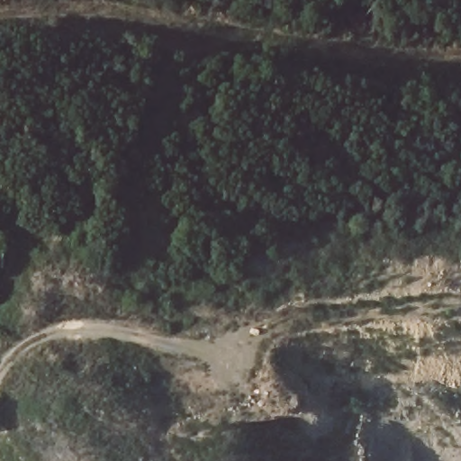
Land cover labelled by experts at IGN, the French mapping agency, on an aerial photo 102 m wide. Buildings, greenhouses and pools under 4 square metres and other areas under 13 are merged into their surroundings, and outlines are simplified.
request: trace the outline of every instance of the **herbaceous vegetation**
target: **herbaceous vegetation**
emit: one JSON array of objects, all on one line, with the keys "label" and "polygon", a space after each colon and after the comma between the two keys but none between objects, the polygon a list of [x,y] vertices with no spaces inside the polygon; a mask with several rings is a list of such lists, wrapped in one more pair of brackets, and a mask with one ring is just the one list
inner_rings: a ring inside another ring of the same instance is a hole
[{"label": "herbaceous vegetation", "polygon": [[331,34],[324,34],[322,38],[310,38],[312,31],[304,29],[299,14],[292,14],[288,9],[285,14],[272,11],[270,16],[256,18],[250,11],[243,11],[232,2],[227,13],[207,11],[207,14],[202,14],[200,9],[191,5],[184,9],[184,13],[175,14],[171,9],[144,9],[112,0],[0,0],[0,31],[4,32],[5,36],[11,36],[20,27],[40,29],[45,34],[83,34],[86,29],[94,29],[108,31],[112,38],[119,40],[126,32],[130,32],[135,36],[135,40],[139,41],[144,36],[158,34],[166,38],[167,50],[171,50],[173,54],[175,50],[184,52],[189,49],[202,49],[207,56],[214,56],[220,50],[230,50],[234,56],[240,54],[243,58],[259,54],[274,68],[290,52],[294,58],[301,59],[306,67],[321,67],[321,72],[333,70],[339,72],[340,76],[360,74],[366,79],[380,77],[400,86],[412,81],[414,77],[420,77],[421,72],[427,72],[430,79],[436,77],[441,83],[461,81],[461,45],[454,43],[445,49],[434,45],[432,52],[436,52],[443,61],[432,61],[414,58],[405,52],[396,52],[387,47],[373,49],[367,43],[366,36],[367,32],[371,31],[373,16],[362,27],[355,27],[349,32],[351,41],[328,43]]},{"label": "herbaceous vegetation", "polygon": [[322,342],[321,358],[337,357],[340,358],[340,364],[360,369],[366,367],[366,360],[371,360],[371,371],[375,375],[396,375],[407,371],[402,362],[405,358],[416,360],[414,351],[407,349],[414,337],[409,333],[403,333],[400,326],[393,331],[369,328],[369,339],[362,339],[355,330],[319,333]]},{"label": "herbaceous vegetation", "polygon": [[167,432],[175,421],[187,416],[182,402],[187,398],[187,394],[191,393],[191,389],[185,382],[180,382],[180,378],[185,373],[196,371],[203,371],[205,375],[209,375],[211,367],[207,362],[203,362],[202,358],[184,353],[175,355],[157,351],[162,369],[153,371],[149,375],[149,382],[144,382],[142,376],[139,376],[135,378],[133,387],[121,385],[121,393],[124,396],[122,409],[128,411],[131,420],[137,423],[137,429],[142,430],[142,434],[148,439],[148,443],[140,450],[142,461],[234,461],[234,452],[230,450],[229,443],[232,436],[236,438],[240,434],[241,425],[238,421],[234,423],[221,418],[218,425],[214,425],[209,421],[193,421],[185,427],[185,432],[198,434],[200,430],[205,430],[205,438],[193,441],[173,436],[167,441],[162,441],[162,434]]},{"label": "herbaceous vegetation", "polygon": [[112,349],[112,342],[115,339],[59,339],[49,342],[52,353],[47,358],[50,362],[61,360],[68,373],[77,373],[81,367],[88,373],[90,369],[95,371],[101,364],[108,364],[108,351]]},{"label": "herbaceous vegetation", "polygon": [[185,312],[171,308],[169,313],[162,312],[160,308],[158,313],[153,313],[151,304],[140,303],[135,295],[126,290],[103,288],[103,294],[99,294],[97,290],[88,290],[83,299],[77,299],[76,295],[67,295],[63,292],[59,279],[52,279],[49,292],[45,292],[34,306],[34,326],[38,330],[58,322],[83,319],[130,321],[139,322],[142,328],[148,326],[149,330],[167,337],[178,335],[189,340],[209,337],[212,344],[229,331],[256,328],[261,335],[267,333],[270,337],[259,342],[249,378],[256,378],[261,371],[265,351],[274,353],[274,349],[286,344],[288,339],[313,335],[312,328],[317,328],[319,324],[313,319],[312,313],[304,313],[303,308],[294,306],[277,312],[276,308],[265,308],[261,304],[256,308],[250,308],[247,304],[240,312],[227,315],[223,310],[212,310],[209,306],[194,306]]},{"label": "herbaceous vegetation", "polygon": [[47,425],[34,421],[34,427],[38,432],[32,443],[32,450],[38,452],[45,461],[104,461],[106,450],[103,447],[90,447],[88,434],[67,432],[63,436],[63,432],[58,429],[58,421],[50,420]]},{"label": "herbaceous vegetation", "polygon": [[9,443],[13,438],[5,430],[18,427],[18,403],[7,396],[13,389],[14,380],[7,376],[0,375],[0,441],[4,439],[5,443]]}]

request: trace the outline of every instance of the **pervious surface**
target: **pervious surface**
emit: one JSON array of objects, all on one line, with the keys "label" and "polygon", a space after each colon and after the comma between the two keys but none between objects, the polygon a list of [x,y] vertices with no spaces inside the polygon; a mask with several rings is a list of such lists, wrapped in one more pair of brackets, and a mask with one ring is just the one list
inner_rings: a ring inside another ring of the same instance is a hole
[{"label": "pervious surface", "polygon": [[[185,427],[193,421],[209,421],[214,425],[218,425],[221,418],[234,423],[238,421],[241,425],[240,434],[236,438],[232,436],[229,443],[230,450],[234,452],[234,461],[461,461],[461,263],[448,263],[445,259],[423,256],[414,259],[412,265],[403,265],[398,259],[385,258],[387,270],[380,279],[384,279],[387,286],[382,290],[344,297],[306,297],[303,292],[290,295],[290,301],[277,304],[276,308],[277,312],[294,306],[303,308],[313,304],[380,301],[389,295],[407,297],[420,294],[450,294],[450,299],[443,301],[436,299],[425,303],[412,303],[414,312],[407,315],[384,315],[378,308],[373,308],[360,310],[353,317],[342,317],[340,324],[319,324],[317,328],[312,328],[313,335],[288,339],[286,344],[274,349],[274,353],[265,351],[261,371],[256,378],[249,378],[259,342],[270,337],[267,333],[261,335],[256,328],[229,331],[212,344],[209,337],[189,340],[178,335],[167,337],[149,330],[148,326],[142,328],[139,322],[130,321],[83,319],[58,322],[38,330],[34,326],[34,306],[45,292],[49,292],[52,279],[59,279],[63,292],[67,295],[76,295],[77,299],[83,299],[88,290],[97,290],[99,294],[103,294],[103,288],[106,276],[95,276],[90,270],[86,272],[79,258],[72,256],[70,259],[61,259],[54,267],[47,265],[41,268],[40,272],[32,274],[31,285],[27,286],[27,295],[23,295],[22,326],[20,330],[16,330],[22,340],[14,342],[13,348],[0,355],[0,375],[7,376],[14,364],[18,364],[22,358],[34,357],[34,353],[43,344],[49,342],[59,339],[115,339],[135,342],[157,351],[175,355],[184,353],[202,358],[203,362],[207,362],[211,367],[209,375],[205,375],[203,371],[196,371],[185,373],[180,378],[180,382],[185,382],[191,389],[191,393],[187,394],[187,398],[182,402],[187,416],[175,421],[167,432],[162,434],[162,441],[167,441],[173,436],[193,441],[205,438],[205,430],[200,430],[198,434],[185,432]],[[371,371],[371,360],[366,360],[366,367],[360,369],[340,364],[340,358],[337,357],[321,358],[322,342],[319,333],[355,330],[362,339],[369,339],[369,328],[393,331],[400,326],[403,333],[409,333],[414,337],[407,349],[414,351],[416,360],[405,358],[402,362],[407,371],[396,375],[375,375]]]}]

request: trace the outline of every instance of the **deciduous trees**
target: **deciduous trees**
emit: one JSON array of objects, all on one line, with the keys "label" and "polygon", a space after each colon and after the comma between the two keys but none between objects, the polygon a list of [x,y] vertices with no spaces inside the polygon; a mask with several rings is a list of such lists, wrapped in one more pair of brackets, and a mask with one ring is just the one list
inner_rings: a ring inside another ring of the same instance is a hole
[{"label": "deciduous trees", "polygon": [[240,54],[234,56],[230,50],[220,50],[214,56],[207,56],[202,49],[189,49],[184,52],[184,61],[176,61],[180,83],[184,85],[180,101],[184,117],[180,121],[171,121],[171,133],[167,133],[162,139],[162,148],[153,155],[149,182],[149,189],[162,198],[162,205],[173,212],[178,220],[167,247],[171,259],[164,263],[160,263],[158,259],[146,259],[142,267],[131,272],[131,281],[140,290],[151,283],[158,286],[160,308],[162,312],[169,313],[171,308],[185,312],[194,306],[209,306],[212,310],[223,310],[227,315],[240,312],[247,304],[250,308],[256,308],[261,304],[265,308],[276,308],[277,304],[290,301],[290,295],[303,292],[304,286],[312,285],[315,279],[322,276],[319,274],[317,258],[319,252],[330,241],[333,247],[328,258],[339,265],[340,270],[349,270],[351,261],[358,258],[358,247],[373,238],[376,221],[380,221],[382,232],[398,229],[402,230],[407,240],[416,240],[418,230],[423,229],[427,234],[441,232],[452,227],[454,221],[461,220],[461,81],[441,83],[436,77],[430,79],[427,72],[421,72],[420,77],[414,77],[412,81],[400,86],[380,77],[366,79],[360,74],[340,76],[339,72],[333,70],[321,72],[321,67],[306,67],[301,59],[294,58],[290,52],[274,68],[259,54],[243,58]]},{"label": "deciduous trees", "polygon": [[135,36],[130,32],[126,32],[119,40],[112,38],[108,31],[94,29],[86,29],[83,34],[45,34],[40,29],[20,27],[11,36],[5,36],[4,32],[0,31],[0,209],[7,214],[13,214],[16,223],[34,236],[40,236],[43,230],[52,236],[50,240],[59,243],[61,234],[68,234],[67,247],[72,256],[79,258],[86,272],[90,270],[95,276],[106,276],[110,274],[112,267],[112,254],[117,250],[117,232],[124,223],[124,207],[113,200],[112,194],[106,193],[117,182],[113,157],[119,155],[133,140],[137,119],[146,110],[144,104],[151,81],[149,76],[153,72],[158,72],[158,61],[167,50],[166,38],[158,34],[144,36],[139,41],[135,40]]},{"label": "deciduous trees", "polygon": [[304,29],[312,31],[310,38],[322,38],[324,34],[331,34],[328,43],[351,41],[349,32],[355,27],[362,27],[373,16],[371,31],[367,32],[366,36],[367,43],[373,49],[387,47],[396,52],[405,52],[414,58],[432,61],[443,61],[436,52],[432,52],[434,45],[445,49],[454,43],[461,45],[461,0],[112,0],[144,9],[171,9],[175,14],[184,13],[184,9],[191,5],[200,9],[202,14],[207,14],[207,11],[227,13],[232,2],[243,11],[250,11],[256,18],[270,16],[272,11],[285,14],[288,9],[292,14],[299,14]]}]

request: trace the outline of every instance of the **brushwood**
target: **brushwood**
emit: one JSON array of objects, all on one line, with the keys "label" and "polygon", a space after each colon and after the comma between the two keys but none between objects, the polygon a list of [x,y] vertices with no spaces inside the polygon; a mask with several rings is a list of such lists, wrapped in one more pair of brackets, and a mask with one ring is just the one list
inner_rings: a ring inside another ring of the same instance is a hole
[{"label": "brushwood", "polygon": [[140,303],[151,304],[153,313],[158,313],[160,308],[158,286],[151,283],[140,290],[131,281],[131,272],[142,267],[146,259],[158,259],[160,263],[164,263],[171,259],[167,247],[178,220],[173,212],[162,205],[162,198],[149,189],[149,182],[153,155],[162,148],[162,139],[167,133],[171,133],[171,121],[180,121],[184,117],[180,101],[184,85],[180,83],[176,61],[184,61],[184,52],[175,50],[173,54],[171,50],[167,50],[158,61],[158,72],[153,72],[149,76],[151,81],[144,104],[146,110],[137,119],[133,140],[119,155],[113,157],[117,182],[106,193],[112,194],[113,200],[124,207],[124,223],[117,232],[117,250],[112,254],[112,267],[110,274],[106,276],[103,288],[126,290],[135,295]]},{"label": "brushwood", "polygon": [[313,304],[303,308],[304,313],[312,313],[313,319],[319,324],[340,324],[342,317],[353,317],[360,310],[373,308],[378,308],[384,315],[407,315],[414,312],[412,303],[425,303],[436,299],[443,301],[450,299],[450,294],[420,294],[407,297],[389,295],[380,301]]},{"label": "brushwood", "polygon": [[18,403],[18,427],[5,430],[13,438],[9,443],[5,443],[4,439],[0,441],[0,461],[45,461],[38,452],[32,450],[32,443],[38,432],[34,427],[34,421],[47,425],[50,420],[58,421],[58,429],[63,432],[63,436],[67,432],[88,434],[90,447],[103,447],[106,450],[104,461],[142,461],[140,450],[148,443],[148,439],[142,434],[142,430],[137,429],[137,423],[131,420],[128,411],[122,409],[124,396],[121,393],[121,385],[133,387],[135,378],[139,376],[142,376],[144,382],[149,382],[149,375],[153,371],[162,369],[157,351],[135,342],[115,339],[112,342],[112,349],[108,351],[108,364],[101,364],[95,371],[90,369],[88,373],[81,367],[77,373],[68,373],[61,360],[50,362],[47,358],[52,353],[49,342],[43,344],[34,353],[34,357],[22,358],[18,364],[14,364],[7,376],[14,380],[13,389],[7,396]]},{"label": "brushwood", "polygon": [[7,214],[0,209],[0,355],[13,348],[14,342],[22,340],[16,330],[20,330],[22,326],[23,295],[27,295],[27,286],[31,285],[32,274],[40,272],[41,268],[47,265],[54,267],[61,259],[70,259],[72,256],[67,247],[68,234],[61,234],[59,243],[50,240],[52,236],[43,230],[40,236],[34,236],[16,223],[13,214]]},{"label": "brushwood", "polygon": [[358,258],[351,261],[349,270],[340,270],[339,265],[328,258],[333,247],[330,241],[319,252],[317,258],[319,274],[322,276],[315,279],[312,285],[304,286],[303,292],[306,297],[344,297],[382,290],[387,286],[384,279],[380,279],[387,270],[385,258],[398,259],[403,265],[412,265],[414,259],[423,256],[445,259],[448,263],[461,263],[461,220],[454,221],[452,227],[441,232],[427,234],[423,229],[418,230],[416,240],[407,240],[402,230],[398,229],[382,232],[380,221],[376,221],[373,238],[358,247]]}]

